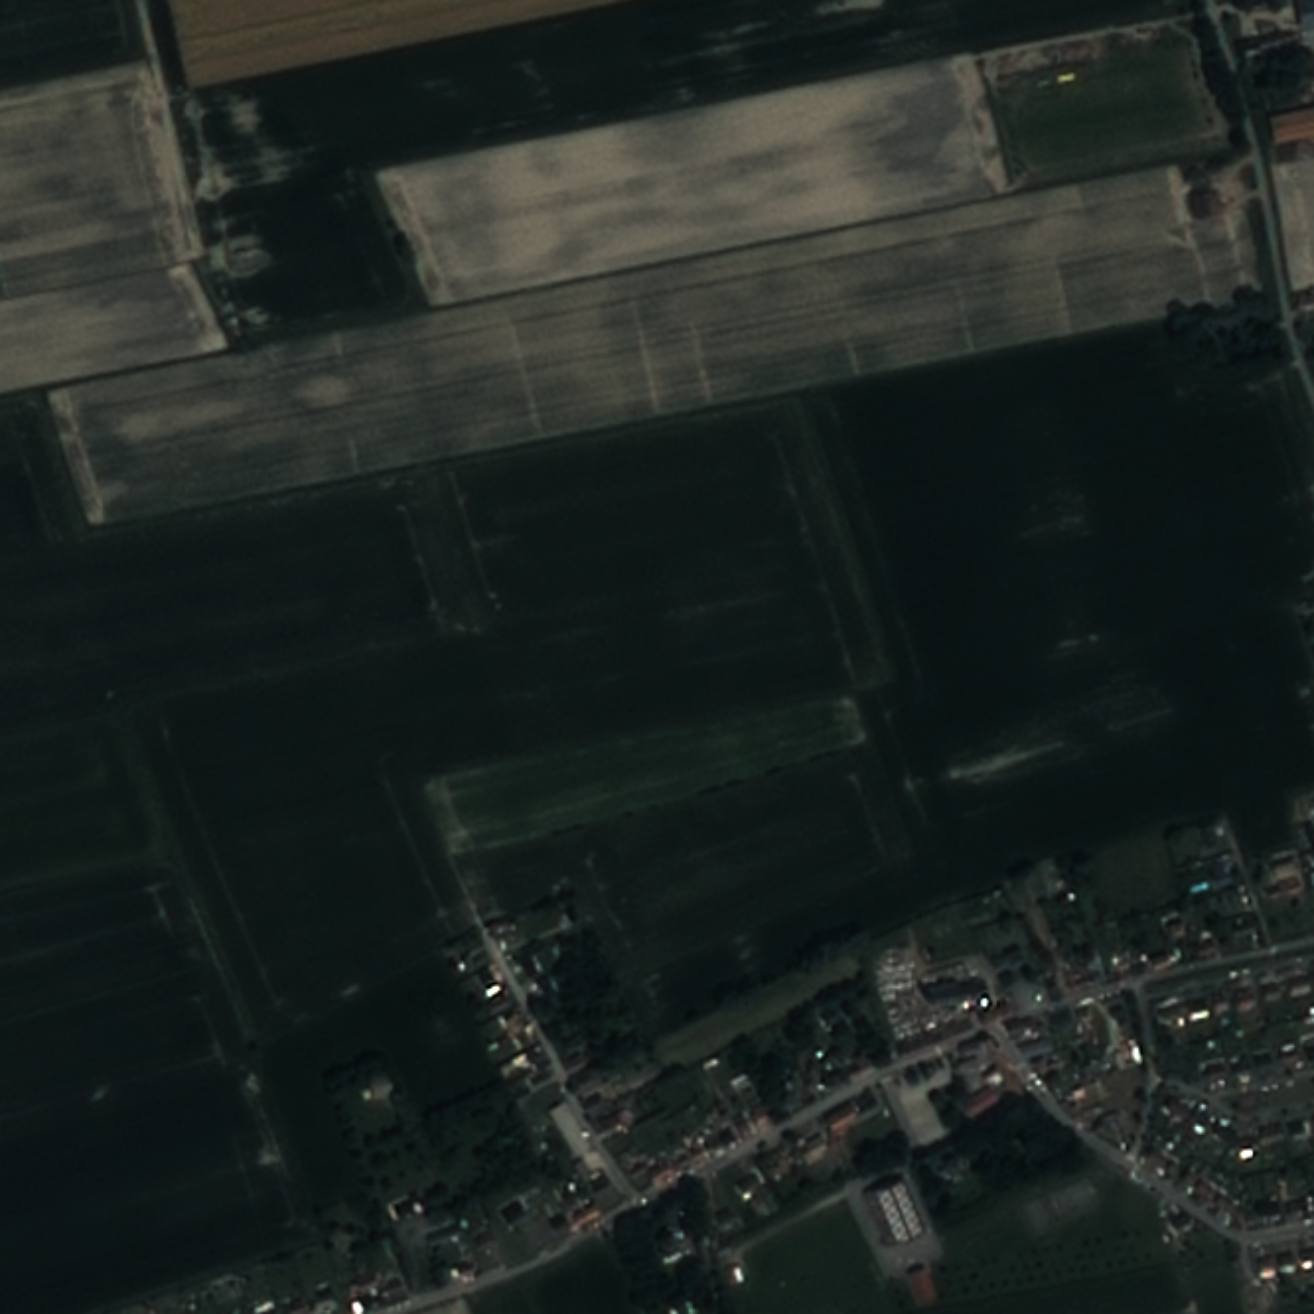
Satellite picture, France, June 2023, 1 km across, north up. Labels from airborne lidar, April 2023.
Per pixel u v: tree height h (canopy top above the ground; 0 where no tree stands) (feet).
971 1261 0
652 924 0
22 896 0
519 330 0
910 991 0
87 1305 0
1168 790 0
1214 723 0
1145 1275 0
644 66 0
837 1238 0
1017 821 0
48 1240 0
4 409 0
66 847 0
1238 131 25
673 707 0
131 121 0
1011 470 0
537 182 0
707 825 0
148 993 0
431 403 0
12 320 0
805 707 0
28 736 0
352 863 0
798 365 0
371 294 0
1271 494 0
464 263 0
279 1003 0
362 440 0
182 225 0
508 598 0
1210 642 0
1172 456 0
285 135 0
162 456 0
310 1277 0
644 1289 27
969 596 0
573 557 0
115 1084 0
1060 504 0
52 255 0
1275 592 0
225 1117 0
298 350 0
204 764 0
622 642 0
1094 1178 0
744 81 0
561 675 0
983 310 0
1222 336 39
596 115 0
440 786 0
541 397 0
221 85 0
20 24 0
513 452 0
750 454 0
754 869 0
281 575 0
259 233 0
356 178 0
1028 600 0
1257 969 0
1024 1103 67
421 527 0
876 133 0
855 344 0
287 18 0
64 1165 0
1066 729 0
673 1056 0
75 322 0
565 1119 0
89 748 0
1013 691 0
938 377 0
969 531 0
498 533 0
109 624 0
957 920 0
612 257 0
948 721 0
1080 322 0
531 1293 0
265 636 0
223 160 0
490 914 0
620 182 0
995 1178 65
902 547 0
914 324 0
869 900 0
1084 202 0
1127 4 0
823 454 0
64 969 0
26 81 0
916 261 0
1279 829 0
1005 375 0
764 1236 0
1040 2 0
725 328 0
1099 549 0
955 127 0
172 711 0
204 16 0
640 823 0
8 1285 0
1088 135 0
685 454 0
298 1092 0
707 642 0
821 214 0
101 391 0
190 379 0
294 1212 0
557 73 0
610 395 0
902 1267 0
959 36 0
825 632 0
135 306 0
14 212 0
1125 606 0
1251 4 24
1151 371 0
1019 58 0
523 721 0
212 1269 0
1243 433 0
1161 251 0
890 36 0
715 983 0
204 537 0
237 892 0
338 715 0
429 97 0
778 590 0
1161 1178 0
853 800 0
